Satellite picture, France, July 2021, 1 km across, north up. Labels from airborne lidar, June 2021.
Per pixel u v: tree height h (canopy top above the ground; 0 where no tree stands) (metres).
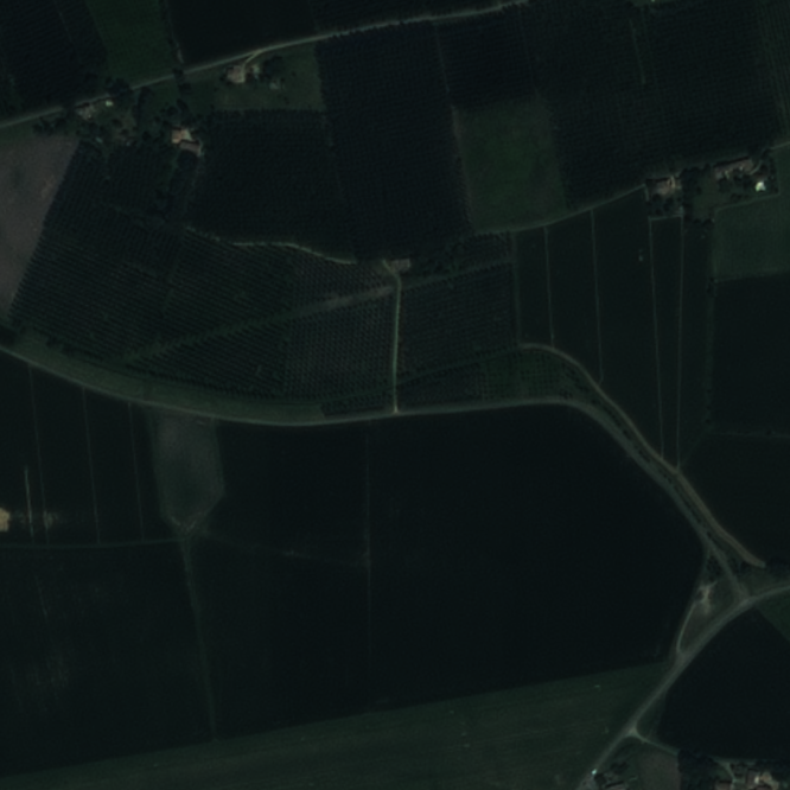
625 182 17
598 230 0
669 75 18
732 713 0
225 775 0
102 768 0
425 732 0
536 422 0
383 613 0
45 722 0
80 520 0
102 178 19
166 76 0
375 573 0
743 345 0
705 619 0
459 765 0
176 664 0
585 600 0
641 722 0
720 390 0
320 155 22
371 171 33
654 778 0
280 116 20
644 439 0
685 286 0
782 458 0
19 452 0
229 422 0
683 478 0
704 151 18
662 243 0
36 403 0
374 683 0
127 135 10
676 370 0
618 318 0
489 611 0
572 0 16
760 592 0
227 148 19
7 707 0
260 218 17
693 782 8
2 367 0
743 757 0
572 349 0
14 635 0
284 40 0
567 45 21
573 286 0
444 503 0
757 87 16
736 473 0
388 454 0
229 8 0
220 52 0
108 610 0
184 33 0
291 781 0
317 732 0
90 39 21
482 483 0
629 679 0
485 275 13
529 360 0
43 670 0
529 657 0
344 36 0
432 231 30
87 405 0
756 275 0
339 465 0
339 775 0
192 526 0
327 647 0
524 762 0
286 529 0
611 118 18
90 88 20
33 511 0
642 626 0
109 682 0
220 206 21
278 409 0
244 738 0
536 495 0
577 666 0
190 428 0
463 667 0
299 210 19
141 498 0
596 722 0
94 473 0
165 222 27
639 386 0
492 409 0
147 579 0
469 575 0
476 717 0
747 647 0
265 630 0
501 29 18
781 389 0
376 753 0
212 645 0
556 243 0
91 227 16
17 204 0
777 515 0
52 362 0
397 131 35
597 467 0
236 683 0
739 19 17
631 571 0
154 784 0
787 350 0
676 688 0
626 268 0
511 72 22
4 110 16
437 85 35
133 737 0
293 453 0
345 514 0
